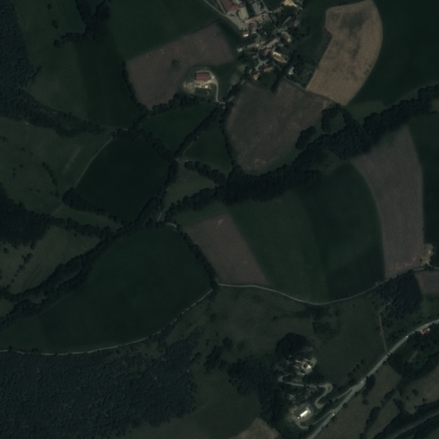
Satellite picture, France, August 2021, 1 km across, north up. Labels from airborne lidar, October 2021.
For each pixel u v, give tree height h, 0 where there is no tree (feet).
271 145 0
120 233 45
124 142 0
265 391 33
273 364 31
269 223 0
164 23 0
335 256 0
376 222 0
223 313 0
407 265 0
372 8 0
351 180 0
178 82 0
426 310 0
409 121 38
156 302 0
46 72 0
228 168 0
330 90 0
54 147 0
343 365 0
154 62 0
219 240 0
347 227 0
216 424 0
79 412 37
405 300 62
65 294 39
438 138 0
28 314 44
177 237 0
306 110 0
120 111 0
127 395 45
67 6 0
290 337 65
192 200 59
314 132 65
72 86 0
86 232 63
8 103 39
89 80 0
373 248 0
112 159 0
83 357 33
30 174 0
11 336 0
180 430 0
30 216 60
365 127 44
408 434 31
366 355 0
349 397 0
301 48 0
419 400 0
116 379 25
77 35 33
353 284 0
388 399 24
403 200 0
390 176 0
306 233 0
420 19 0
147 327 0
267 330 0
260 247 0
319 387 28
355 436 0
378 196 0
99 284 0
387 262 0
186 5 0
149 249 0
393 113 77
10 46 56
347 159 46
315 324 40
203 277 0
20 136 0
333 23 0
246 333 0
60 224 59
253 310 0
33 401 48
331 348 0
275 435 0
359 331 0
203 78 0
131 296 0
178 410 25
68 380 51
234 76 0
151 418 50
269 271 0
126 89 0
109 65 0
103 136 0
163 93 0
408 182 0
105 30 0
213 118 61
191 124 0
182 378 24
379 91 0
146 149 0
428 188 0
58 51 0
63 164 0
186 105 43
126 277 0
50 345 0
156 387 50
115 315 0
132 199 0
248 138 0
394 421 43
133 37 0
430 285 0
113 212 0
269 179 81
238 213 0
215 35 0
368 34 0
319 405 0
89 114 0
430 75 0
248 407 0
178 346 39
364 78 0
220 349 26
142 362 26
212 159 0
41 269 0
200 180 0
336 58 0
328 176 0
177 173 47
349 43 0
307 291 0
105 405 53
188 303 0
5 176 0
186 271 0
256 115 0
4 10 55
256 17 0
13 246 23
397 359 51
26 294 39
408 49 0
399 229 0
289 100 0
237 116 0
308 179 67
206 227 0
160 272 0
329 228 0
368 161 0
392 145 0
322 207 0
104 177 0
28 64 59
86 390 52
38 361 46
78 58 0
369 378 44
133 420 29
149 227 60
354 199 0
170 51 0
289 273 0
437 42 0
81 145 0
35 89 0
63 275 75
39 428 42
